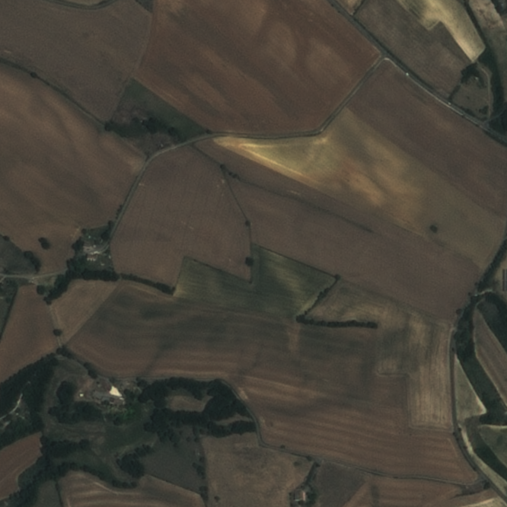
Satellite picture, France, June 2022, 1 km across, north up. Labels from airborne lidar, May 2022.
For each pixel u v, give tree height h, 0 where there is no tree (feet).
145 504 0
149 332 0
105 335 0
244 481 0
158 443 0
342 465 0
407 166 0
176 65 0
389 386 0
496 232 0
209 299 0
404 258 0
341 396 0
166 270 0
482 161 0
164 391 62
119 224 0
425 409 0
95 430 0
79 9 0
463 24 0
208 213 0
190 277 0
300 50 0
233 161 0
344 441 0
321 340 0
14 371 0
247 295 0
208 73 0
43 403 68
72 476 0
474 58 0
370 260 0
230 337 0
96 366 0
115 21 0
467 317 36
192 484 0
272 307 0
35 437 0
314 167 0
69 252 0
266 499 0
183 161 0
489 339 0
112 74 0
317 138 0
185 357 0
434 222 0
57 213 0
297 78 0
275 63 0
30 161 0
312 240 0
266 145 0
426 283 0
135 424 0
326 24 0
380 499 0
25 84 0
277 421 0
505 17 0
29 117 0
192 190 0
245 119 0
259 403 0
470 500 0
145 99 0
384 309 0
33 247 0
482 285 32
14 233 0
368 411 0
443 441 0
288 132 0
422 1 0
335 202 0
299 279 0
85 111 0
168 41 0
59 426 0
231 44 0
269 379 0
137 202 0
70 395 41
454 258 0
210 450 0
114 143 0
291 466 0
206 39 0
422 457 0
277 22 0
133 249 0
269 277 0
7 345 0
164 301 0
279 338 0
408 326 0
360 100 0
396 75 0
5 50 0
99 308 0
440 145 0
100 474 39
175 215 0
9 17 0
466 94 0
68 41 0
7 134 0
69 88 0
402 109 0
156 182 0
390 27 0
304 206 0
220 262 0
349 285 0
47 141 0
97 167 0
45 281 0
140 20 0
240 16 0
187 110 0
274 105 0
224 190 0
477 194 0
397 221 0
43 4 0
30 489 48
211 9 0
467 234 0
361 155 0
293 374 0
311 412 0
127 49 0
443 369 0
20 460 0
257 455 0
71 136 0
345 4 0
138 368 0
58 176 0
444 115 0
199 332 0
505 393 0
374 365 0
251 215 0
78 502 0
